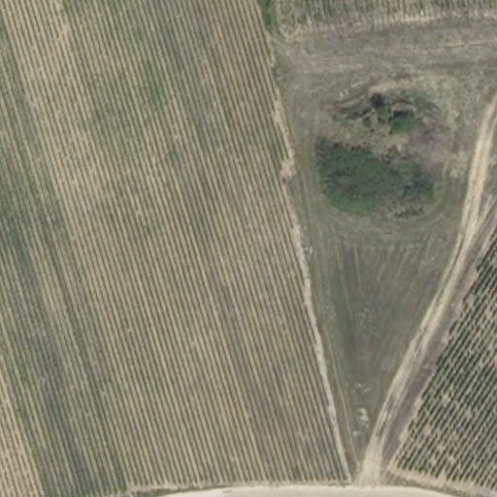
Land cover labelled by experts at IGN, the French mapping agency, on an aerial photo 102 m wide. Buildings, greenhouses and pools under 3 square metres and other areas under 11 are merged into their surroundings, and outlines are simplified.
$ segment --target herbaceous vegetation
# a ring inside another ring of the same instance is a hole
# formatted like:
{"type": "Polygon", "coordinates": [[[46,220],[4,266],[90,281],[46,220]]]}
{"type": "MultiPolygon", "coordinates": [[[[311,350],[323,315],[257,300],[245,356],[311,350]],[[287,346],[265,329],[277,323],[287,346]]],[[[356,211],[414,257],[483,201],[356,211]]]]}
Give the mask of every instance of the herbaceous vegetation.
{"type": "Polygon", "coordinates": [[[355,478],[363,466],[365,450],[369,447],[373,427],[381,412],[384,394],[392,379],[396,377],[402,357],[408,351],[408,346],[421,324],[421,318],[429,309],[441,285],[441,276],[447,268],[450,252],[454,248],[460,229],[462,208],[474,161],[474,149],[480,132],[481,115],[497,91],[497,10],[439,10],[431,6],[412,16],[404,12],[388,16],[384,8],[375,8],[367,14],[349,12],[355,21],[353,27],[348,27],[346,21],[318,23],[313,19],[307,19],[307,23],[299,27],[280,25],[283,39],[293,41],[291,49],[283,50],[283,58],[276,58],[276,64],[272,68],[272,76],[280,89],[283,120],[295,153],[293,175],[289,177],[287,190],[301,227],[301,241],[311,276],[311,299],[318,332],[322,338],[328,381],[334,394],[340,437],[346,452],[349,472],[355,478]],[[408,134],[396,134],[394,130],[390,130],[390,126],[379,122],[377,109],[410,111],[410,118],[414,122],[412,130],[408,134]],[[415,163],[421,165],[423,171],[437,173],[437,184],[433,184],[433,202],[425,204],[423,214],[412,217],[396,217],[400,212],[406,212],[402,204],[394,206],[388,212],[375,206],[375,210],[365,217],[355,217],[342,212],[340,208],[332,206],[332,202],[320,190],[315,151],[318,138],[328,138],[334,144],[369,148],[375,155],[386,155],[388,149],[392,148],[402,151],[404,155],[414,155],[415,163]]]}
{"type": "Polygon", "coordinates": [[[481,190],[478,208],[480,229],[474,237],[474,245],[466,256],[464,268],[448,299],[443,318],[429,342],[427,353],[419,363],[419,369],[408,377],[400,410],[392,417],[390,423],[388,439],[382,448],[382,458],[390,462],[392,452],[398,447],[398,437],[404,419],[412,412],[415,398],[423,400],[425,388],[437,371],[437,357],[445,353],[448,346],[448,330],[456,320],[462,320],[464,316],[462,299],[478,280],[478,264],[491,245],[493,231],[497,227],[497,126],[493,134],[493,144],[489,149],[487,179],[481,190]]]}

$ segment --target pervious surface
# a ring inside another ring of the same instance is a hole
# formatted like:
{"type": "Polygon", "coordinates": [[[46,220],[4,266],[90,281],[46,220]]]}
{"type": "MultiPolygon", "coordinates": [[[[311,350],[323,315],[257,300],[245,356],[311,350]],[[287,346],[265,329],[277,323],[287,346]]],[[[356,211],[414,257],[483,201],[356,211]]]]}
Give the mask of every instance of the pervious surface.
{"type": "Polygon", "coordinates": [[[441,276],[441,285],[429,309],[421,318],[421,324],[408,346],[408,351],[402,357],[396,377],[392,379],[384,394],[381,412],[373,427],[369,447],[365,450],[363,466],[355,478],[353,485],[266,481],[163,497],[452,497],[447,493],[417,487],[386,485],[381,478],[382,458],[382,448],[388,439],[390,423],[392,417],[400,410],[408,377],[419,369],[419,363],[427,353],[429,342],[443,318],[448,299],[464,268],[466,256],[474,245],[474,237],[480,229],[478,208],[481,190],[487,179],[489,149],[493,144],[493,134],[497,126],[497,91],[481,115],[480,132],[474,149],[474,161],[462,208],[460,229],[454,248],[450,252],[447,268],[441,276]]]}

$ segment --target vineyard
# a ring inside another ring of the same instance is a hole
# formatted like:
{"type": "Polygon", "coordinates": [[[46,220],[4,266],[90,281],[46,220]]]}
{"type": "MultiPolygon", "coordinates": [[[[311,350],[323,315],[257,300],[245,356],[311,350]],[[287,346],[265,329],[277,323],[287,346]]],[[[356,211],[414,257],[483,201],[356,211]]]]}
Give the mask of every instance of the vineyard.
{"type": "Polygon", "coordinates": [[[398,437],[398,447],[392,452],[390,462],[382,458],[381,478],[386,485],[417,487],[447,493],[452,497],[497,497],[497,227],[493,231],[491,245],[478,264],[478,280],[462,299],[464,316],[462,320],[456,320],[448,330],[448,346],[445,353],[437,357],[437,371],[425,388],[423,400],[415,398],[412,412],[404,419],[398,437]]]}
{"type": "Polygon", "coordinates": [[[293,175],[295,153],[283,120],[280,89],[272,76],[272,68],[276,64],[276,58],[283,58],[283,50],[291,49],[293,41],[283,39],[280,25],[299,27],[307,23],[307,19],[313,19],[318,23],[346,21],[348,27],[353,27],[355,21],[349,12],[367,14],[375,8],[384,8],[388,16],[404,12],[412,16],[431,6],[439,10],[497,10],[497,0],[272,0],[276,23],[270,29],[266,29],[258,0],[0,0],[0,497],[163,497],[266,481],[353,485],[355,478],[349,472],[346,452],[340,437],[334,394],[328,381],[322,338],[318,332],[311,299],[311,276],[301,241],[301,227],[287,190],[289,177],[293,175]]]}

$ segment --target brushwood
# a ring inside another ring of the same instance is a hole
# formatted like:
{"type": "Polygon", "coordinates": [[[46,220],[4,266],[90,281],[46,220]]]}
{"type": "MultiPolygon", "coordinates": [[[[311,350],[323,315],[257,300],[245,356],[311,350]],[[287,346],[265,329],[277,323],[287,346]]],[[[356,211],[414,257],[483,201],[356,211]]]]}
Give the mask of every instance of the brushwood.
{"type": "Polygon", "coordinates": [[[328,138],[318,138],[315,151],[320,190],[332,202],[332,206],[340,208],[342,212],[355,217],[365,217],[375,210],[375,206],[388,212],[394,206],[402,204],[406,212],[400,212],[396,217],[412,217],[423,214],[425,204],[433,202],[433,184],[437,184],[437,173],[423,171],[421,165],[415,163],[414,155],[404,155],[402,151],[392,148],[388,149],[386,155],[375,155],[369,148],[334,144],[328,138]]]}
{"type": "Polygon", "coordinates": [[[258,0],[266,29],[270,29],[276,23],[272,0],[258,0]]]}
{"type": "Polygon", "coordinates": [[[412,130],[414,122],[410,118],[410,111],[377,109],[379,122],[390,126],[390,130],[394,130],[396,134],[408,134],[412,130]]]}

